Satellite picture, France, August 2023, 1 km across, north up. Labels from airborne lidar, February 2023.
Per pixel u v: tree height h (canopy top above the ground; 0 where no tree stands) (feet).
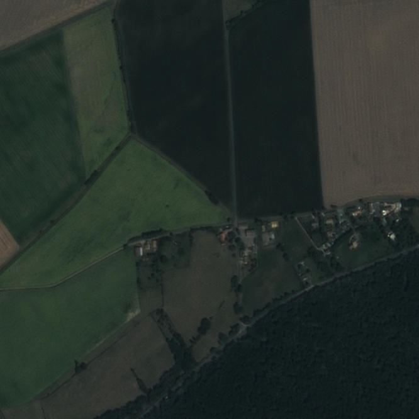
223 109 0
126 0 0
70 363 0
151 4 0
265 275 0
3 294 0
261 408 77
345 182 0
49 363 0
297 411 66
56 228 0
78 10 0
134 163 0
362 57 0
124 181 0
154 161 0
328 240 37
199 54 0
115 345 0
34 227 0
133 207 0
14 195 0
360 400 84
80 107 0
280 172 0
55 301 0
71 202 0
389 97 0
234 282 32
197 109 0
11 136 0
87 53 0
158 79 0
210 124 0
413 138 0
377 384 83
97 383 0
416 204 54
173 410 66
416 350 76
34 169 0
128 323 0
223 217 0
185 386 49
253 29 0
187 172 0
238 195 0
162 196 0
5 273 0
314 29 0
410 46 0
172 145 0
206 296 0
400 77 0
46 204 0
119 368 0
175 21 0
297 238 0
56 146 0
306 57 0
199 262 0
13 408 0
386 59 0
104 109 0
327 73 0
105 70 0
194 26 0
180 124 0
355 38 0
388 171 0
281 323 68
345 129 0
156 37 0
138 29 0
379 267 55
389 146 0
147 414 0
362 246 0
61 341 0
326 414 73
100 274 0
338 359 79
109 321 0
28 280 0
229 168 0
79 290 0
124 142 0
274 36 0
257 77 0
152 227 0
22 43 0
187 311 0
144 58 0
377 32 0
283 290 0
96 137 0
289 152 0
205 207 0
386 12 0
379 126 0
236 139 0
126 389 0
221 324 0
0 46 0
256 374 77
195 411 75
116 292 0
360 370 69
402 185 0
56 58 0
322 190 0
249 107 0
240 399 59
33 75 0
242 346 66
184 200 0
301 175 0
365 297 61
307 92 0
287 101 0
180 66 0
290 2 0
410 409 76
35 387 0
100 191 0
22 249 0
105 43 0
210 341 0
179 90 0
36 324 0
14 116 0
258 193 0
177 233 0
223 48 0
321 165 0
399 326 45
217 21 0
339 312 62
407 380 81
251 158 0
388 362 82
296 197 0
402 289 80
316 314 74
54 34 0
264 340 53
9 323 0
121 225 0
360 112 0
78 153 0
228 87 0
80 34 0
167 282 0
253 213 0
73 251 0
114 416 71
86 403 0
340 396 69
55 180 0
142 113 0
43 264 0
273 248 0
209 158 0
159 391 66
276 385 78
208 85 0
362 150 0
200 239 0
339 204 0
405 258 43
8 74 0
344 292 62
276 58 0
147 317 0
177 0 0
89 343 0
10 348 0
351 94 0
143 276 0
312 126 0
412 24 0
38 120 0
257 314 49
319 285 0
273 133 0
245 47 0
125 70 38
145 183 0
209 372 61
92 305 0
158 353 0
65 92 0
